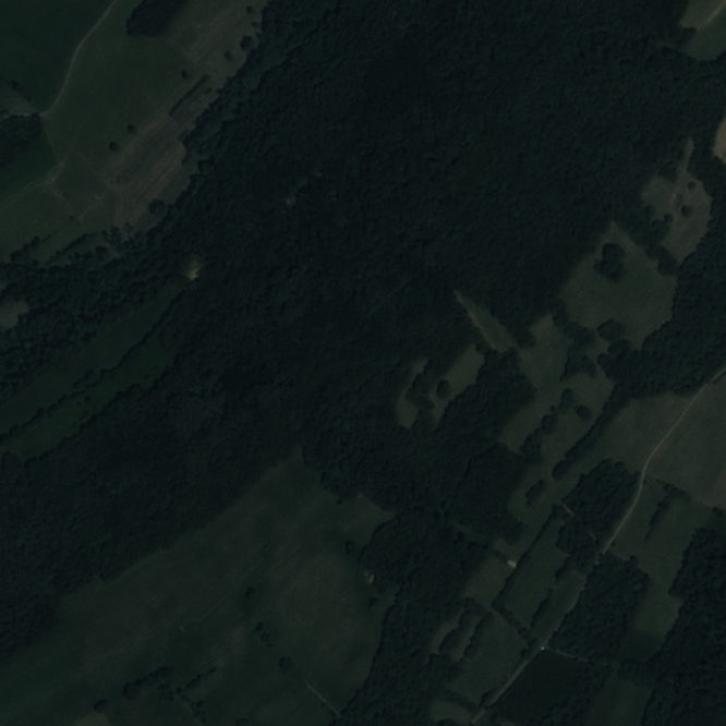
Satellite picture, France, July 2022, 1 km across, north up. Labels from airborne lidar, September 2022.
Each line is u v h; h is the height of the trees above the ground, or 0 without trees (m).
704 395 0
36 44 0
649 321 0
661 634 0
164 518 24
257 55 20
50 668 0
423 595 14
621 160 21
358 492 17
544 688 6
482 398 20
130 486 20
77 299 19
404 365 14
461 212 16
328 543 0
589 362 13
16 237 0
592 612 18
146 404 29
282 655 0
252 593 13
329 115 22
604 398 0
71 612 0
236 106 7
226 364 18
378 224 27
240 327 27
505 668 0
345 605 0
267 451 15
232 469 18
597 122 17
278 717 0
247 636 0
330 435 22
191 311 22
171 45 0
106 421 19
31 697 0
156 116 0
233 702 0
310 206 27
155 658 0
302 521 0
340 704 0
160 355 0
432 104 26
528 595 0
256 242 22
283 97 20
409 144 24
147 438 19
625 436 0
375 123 24
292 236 29
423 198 24
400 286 18
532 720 7
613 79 23
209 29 0
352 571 0
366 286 28
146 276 26
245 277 26
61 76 0
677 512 0
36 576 26
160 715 0
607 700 0
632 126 17
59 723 0
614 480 17
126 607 0
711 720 18
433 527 23
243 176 19
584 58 28
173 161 0
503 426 11
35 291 24
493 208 21
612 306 0
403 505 22
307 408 10
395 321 14
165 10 18
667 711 22
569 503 9
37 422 12
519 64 24
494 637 0
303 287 27
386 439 21
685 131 13
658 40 25
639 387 14
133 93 0
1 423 0
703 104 13
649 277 0
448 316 18
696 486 0
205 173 16
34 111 0
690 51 0
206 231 20
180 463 24
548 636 0
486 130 21
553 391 0
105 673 0
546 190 14
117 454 19
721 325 13
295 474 0
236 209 19
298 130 19
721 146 0
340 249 24
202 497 14
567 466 12
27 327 22
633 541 0
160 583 0
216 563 0
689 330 13
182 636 0
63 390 0
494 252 23
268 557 0
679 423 0
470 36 19
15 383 14
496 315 22
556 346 0
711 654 7
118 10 0
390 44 23
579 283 0
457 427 20
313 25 21
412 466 16
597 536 8
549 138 20
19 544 20
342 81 22
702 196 0
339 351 19
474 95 16
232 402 10
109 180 0
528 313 22
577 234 20
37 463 19
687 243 0
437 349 19
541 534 7
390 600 0
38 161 0
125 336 0
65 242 0
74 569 21
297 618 0
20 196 0
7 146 10
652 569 0
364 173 20
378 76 25
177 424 32
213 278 23
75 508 18
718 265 15
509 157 18
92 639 0
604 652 12
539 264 21
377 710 20
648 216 10
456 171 24
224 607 0
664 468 0
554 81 24
